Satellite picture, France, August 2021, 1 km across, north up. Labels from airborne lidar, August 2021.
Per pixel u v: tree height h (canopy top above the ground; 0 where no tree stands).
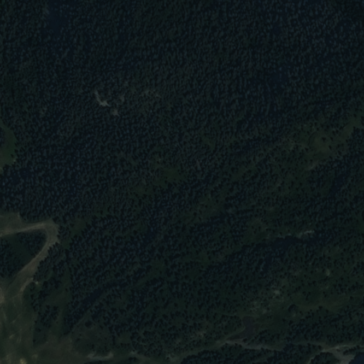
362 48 13
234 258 14
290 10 5
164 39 14
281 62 9
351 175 9
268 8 28
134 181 14
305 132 12
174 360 0
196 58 13
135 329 11
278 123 19
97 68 16
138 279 10
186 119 27
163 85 23
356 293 0
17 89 6
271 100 22
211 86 16
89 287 11
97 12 10
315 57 7
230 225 12
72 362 0
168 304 11
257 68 19
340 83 13
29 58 12
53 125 19
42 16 13
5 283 0
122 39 10
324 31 30
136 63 16
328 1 6
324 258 6
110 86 22
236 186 12
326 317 6
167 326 11
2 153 0
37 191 26
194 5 11
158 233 13
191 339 8
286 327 0
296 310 11
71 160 12
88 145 24
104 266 11
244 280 12
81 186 17
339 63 9
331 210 10
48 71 10
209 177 14
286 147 8
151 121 23
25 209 19
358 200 13
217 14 29
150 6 15
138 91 14
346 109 10
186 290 9
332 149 16
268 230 13
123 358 0
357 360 0
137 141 23
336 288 11
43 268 14
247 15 23
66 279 0
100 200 8
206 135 13
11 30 22
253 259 10
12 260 11
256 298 8
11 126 15
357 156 11
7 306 0
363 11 15
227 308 9
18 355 0
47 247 0
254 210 9
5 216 0
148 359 0
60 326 0
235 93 14
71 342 0
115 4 17
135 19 22
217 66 17
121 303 0
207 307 12
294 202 15
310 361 0
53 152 8
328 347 0
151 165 12
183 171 11
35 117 8
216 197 9
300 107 18
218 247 10
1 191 6
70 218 15
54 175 8
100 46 12
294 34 25
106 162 9
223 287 10
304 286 13
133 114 10
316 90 7
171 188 17
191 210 12
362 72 16
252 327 0
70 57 10
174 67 14
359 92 6
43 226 0
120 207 19
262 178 7
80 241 15
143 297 11
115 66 11
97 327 0
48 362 0
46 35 11
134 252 20
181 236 10
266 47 19
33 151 26
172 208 18
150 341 7
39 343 0
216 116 11
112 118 12
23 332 0
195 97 13
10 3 27
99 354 0
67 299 0
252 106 20
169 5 14
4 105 22
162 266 0
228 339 0
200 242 11
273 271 7
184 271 9
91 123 28
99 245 0
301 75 16
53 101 17
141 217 11
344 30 17
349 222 10
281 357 7
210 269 11
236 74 20
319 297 0
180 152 19
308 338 10
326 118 10
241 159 12
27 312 0
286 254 11
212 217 6
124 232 15
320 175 13
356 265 0
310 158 0
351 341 10
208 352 14
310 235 14
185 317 11
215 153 12
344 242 13
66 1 13
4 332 0
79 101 20
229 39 21
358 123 0
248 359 6
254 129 23
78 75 18
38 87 8
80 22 16
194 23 25
